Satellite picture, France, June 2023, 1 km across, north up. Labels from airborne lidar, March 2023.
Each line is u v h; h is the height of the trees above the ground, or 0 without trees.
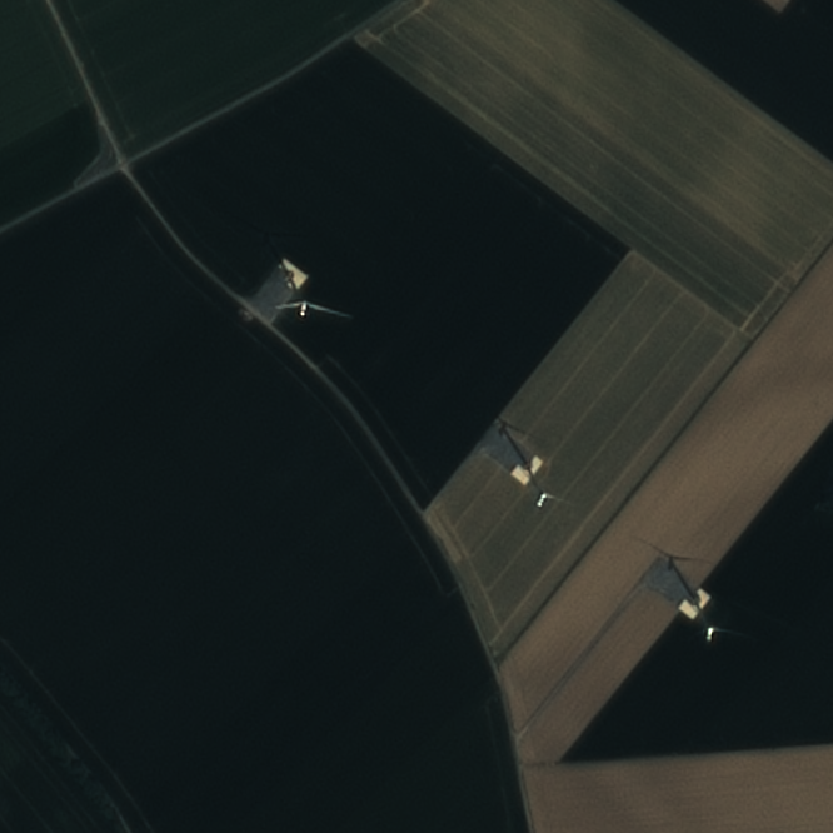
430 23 0
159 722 0
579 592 0
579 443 0
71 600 0
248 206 0
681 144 0
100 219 0
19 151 0
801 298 0
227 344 0
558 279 0
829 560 0
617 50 0
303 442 0
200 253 0
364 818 0
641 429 0
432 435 0
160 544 0
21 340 0
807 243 0
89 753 0
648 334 0
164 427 0
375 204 0
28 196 0
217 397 0
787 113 0
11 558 0
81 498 0
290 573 0
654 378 0
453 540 0
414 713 0
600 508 0
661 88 0
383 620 0
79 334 0
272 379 0
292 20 0
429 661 0
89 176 0
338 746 0
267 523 0
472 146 0
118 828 11
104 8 0
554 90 0
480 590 0
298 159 0
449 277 0
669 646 0
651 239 0
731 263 0
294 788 0
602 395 0
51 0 0
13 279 0
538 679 0
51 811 0
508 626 0
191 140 0
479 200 0
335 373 0
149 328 0
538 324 0
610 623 0
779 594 0
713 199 0
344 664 0
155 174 0
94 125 0
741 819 0
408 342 0
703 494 0
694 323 0
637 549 0
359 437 0
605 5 0
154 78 0
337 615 0
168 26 0
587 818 0
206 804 0
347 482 0
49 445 0
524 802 0
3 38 0
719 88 0
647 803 0
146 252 0
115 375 0
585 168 0
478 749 0
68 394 0
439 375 0
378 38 0
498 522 0
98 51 0
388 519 0
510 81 0
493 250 0
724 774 0
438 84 0
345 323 0
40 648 0
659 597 0
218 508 0
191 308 0
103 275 0
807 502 0
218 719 0
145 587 0
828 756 0
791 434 0
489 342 0
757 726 0
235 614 0
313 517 0
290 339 0
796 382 0
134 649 0
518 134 0
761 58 0
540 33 0
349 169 0
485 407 0
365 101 0
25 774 0
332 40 0
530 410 0
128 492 0
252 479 0
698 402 0
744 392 0
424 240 0
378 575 0
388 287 0
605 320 0
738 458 0
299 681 0
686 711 0
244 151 0
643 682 0
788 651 0
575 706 0
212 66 0
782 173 0
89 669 0
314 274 0
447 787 0
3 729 0
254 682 0
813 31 0
